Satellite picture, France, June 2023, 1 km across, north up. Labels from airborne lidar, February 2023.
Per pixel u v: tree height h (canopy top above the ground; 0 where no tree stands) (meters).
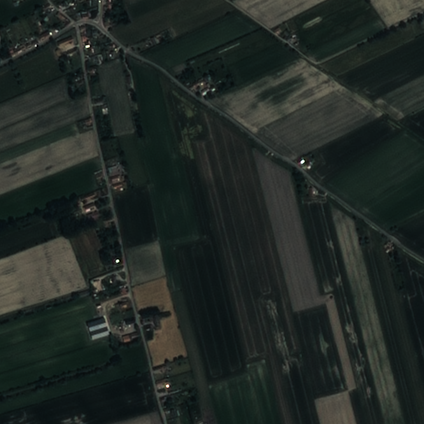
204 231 0
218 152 0
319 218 0
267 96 0
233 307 0
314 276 0
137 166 0
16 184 0
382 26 0
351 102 0
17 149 0
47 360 0
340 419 0
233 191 0
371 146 0
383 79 0
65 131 0
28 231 0
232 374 0
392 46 0
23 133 0
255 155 0
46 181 0
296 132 0
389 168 0
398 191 0
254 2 0
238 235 0
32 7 0
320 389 0
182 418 0
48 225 0
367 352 0
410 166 0
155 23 0
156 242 0
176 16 0
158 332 0
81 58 0
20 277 0
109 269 9
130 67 11
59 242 0
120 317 0
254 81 0
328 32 0
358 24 0
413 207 0
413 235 0
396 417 0
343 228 0
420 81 0
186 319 0
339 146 0
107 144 0
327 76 0
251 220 0
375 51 0
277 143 0
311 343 0
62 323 0
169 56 0
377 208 0
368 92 0
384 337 0
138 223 0
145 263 0
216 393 0
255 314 0
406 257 0
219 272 0
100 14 0
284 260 0
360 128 0
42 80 0
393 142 0
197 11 0
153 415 0
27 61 0
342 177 0
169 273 0
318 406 0
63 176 0
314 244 0
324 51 0
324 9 0
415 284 0
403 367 0
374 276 0
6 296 0
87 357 0
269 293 0
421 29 0
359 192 0
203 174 0
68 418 0
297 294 0
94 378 0
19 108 0
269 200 0
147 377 0
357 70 0
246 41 0
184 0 0
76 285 0
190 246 0
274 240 0
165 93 0
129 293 0
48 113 0
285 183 0
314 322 0
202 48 0
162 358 0
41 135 0
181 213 0
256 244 0
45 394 0
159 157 0
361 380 0
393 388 0
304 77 0
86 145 0
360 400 0
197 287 0
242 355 0
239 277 0
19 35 0
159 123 0
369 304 0
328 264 0
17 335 0
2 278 0
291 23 0
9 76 0
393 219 0
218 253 0
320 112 0
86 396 0
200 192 0
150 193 0
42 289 0
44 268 0
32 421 0
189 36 0
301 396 0
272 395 0
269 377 0
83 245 0
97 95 0
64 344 0
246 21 0
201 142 0
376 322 0
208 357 0
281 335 0
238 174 0
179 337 0
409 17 0
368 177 0
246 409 0
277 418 0
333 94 0
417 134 0
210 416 0
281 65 0
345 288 0
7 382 0
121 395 0
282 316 0
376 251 0
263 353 0
